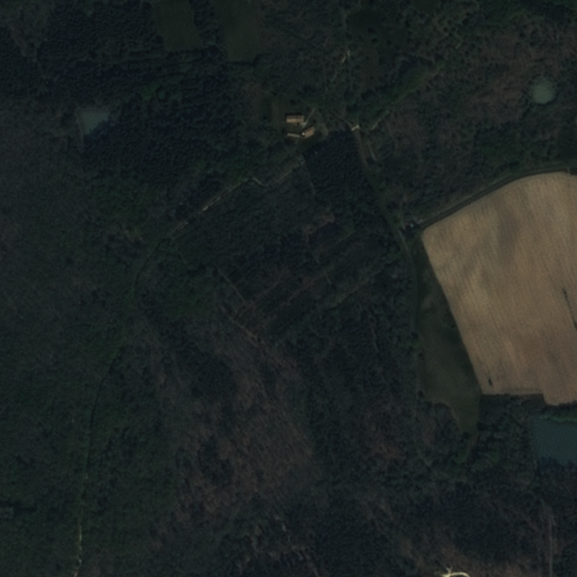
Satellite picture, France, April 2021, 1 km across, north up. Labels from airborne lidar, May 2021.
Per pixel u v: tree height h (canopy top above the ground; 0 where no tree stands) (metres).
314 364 24
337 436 24
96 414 18
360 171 21
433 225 0
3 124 17
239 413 12
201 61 10
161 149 20
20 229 12
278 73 9
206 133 23
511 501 22
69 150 15
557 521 8
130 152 22
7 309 16
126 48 18
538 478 17
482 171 10
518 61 9
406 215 11
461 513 23
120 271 21
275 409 9
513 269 0
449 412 14
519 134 14
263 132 11
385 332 24
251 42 0
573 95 11
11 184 14
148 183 18
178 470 13
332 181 21
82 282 11
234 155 22
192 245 9
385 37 0
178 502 20
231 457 12
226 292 19
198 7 20
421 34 14
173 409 18
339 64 9
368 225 25
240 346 17
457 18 10
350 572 24
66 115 7
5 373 20
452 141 6
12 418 21
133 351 15
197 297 25
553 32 9
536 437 0
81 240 21
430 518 25
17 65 20
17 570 22
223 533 23
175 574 19
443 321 0
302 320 16
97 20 21
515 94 8
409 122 12
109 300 12
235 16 0
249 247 9
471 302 0
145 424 20
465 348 0
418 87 19
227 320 17
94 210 22
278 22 7
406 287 11
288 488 15
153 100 22
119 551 22
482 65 7
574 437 0
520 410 20
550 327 0
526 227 0
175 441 21
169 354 19
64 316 18
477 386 0
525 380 0
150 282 13
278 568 6
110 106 10
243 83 6
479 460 28
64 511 21
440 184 7
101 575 10
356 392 11
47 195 20
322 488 23
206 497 20
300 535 22
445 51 9
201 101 12
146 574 24
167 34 0
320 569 22
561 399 0
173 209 15
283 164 13
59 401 21
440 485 17
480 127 9
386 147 6
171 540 14
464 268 0
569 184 0
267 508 25
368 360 23
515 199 0
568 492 17
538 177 0
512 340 0
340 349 12
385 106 15
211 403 20
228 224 7
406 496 21
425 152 7
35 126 17
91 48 19
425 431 16
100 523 20
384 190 16
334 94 10
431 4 0
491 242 0
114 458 22
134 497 20
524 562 17
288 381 10
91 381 19
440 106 8
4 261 16
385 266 9
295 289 7
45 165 22
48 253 15
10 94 22
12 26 15
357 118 18
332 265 14
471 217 0
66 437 22
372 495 18
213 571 18
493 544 21
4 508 20
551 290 0
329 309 14
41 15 16
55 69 9
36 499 19
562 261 0
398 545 16
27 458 21
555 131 10
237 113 7
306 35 6
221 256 9
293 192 8
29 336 19
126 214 21
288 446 14
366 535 22
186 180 17
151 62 8
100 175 11
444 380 0
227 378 17
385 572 14
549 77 7
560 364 0
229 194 10
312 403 24
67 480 18
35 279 18
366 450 10
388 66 9
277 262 25
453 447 22
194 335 17
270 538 24
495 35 12
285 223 7
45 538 20
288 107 0
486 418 13
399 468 18
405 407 14
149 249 17
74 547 19
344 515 16
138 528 22
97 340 22
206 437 11
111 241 13
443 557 11
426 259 0
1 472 20
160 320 26
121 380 20
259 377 14
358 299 6
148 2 7
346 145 20
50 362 23
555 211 0
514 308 0
